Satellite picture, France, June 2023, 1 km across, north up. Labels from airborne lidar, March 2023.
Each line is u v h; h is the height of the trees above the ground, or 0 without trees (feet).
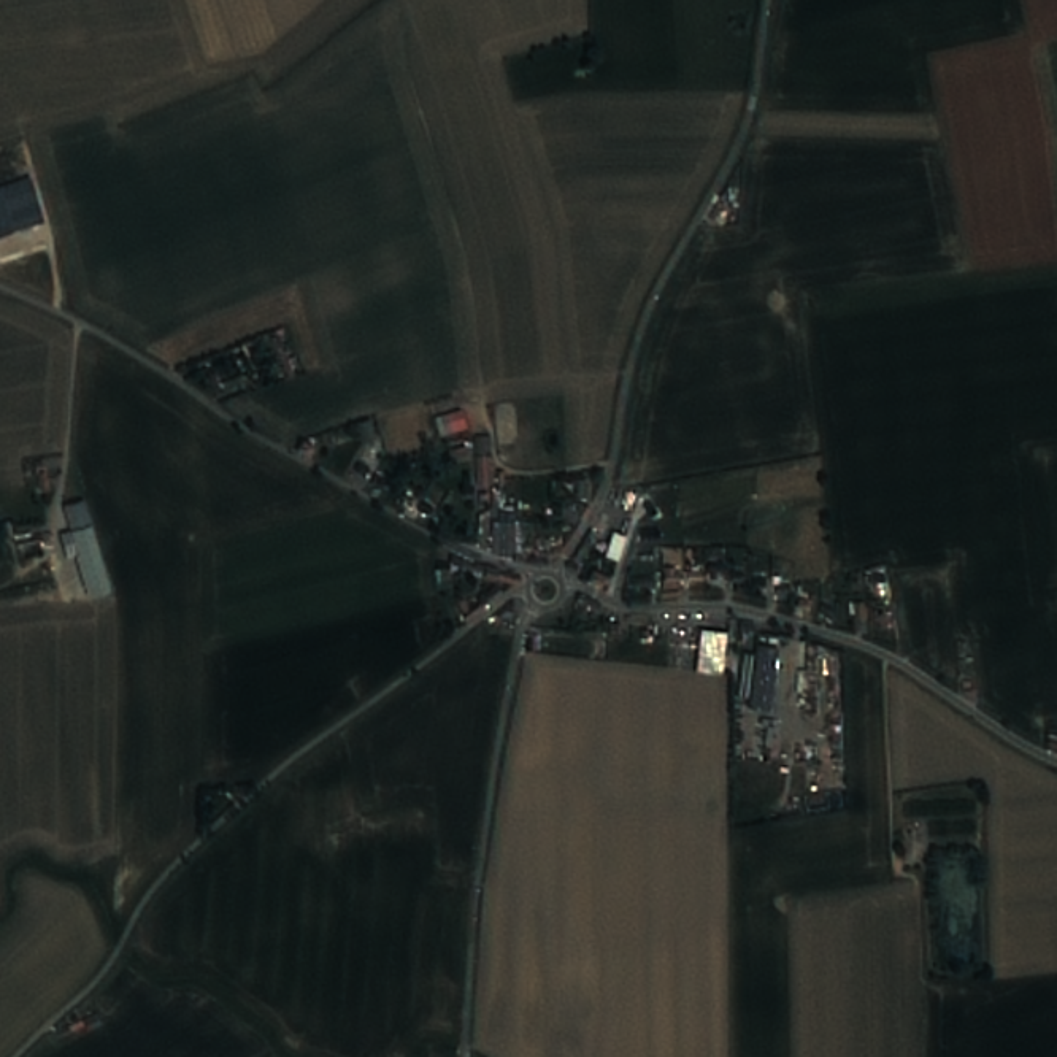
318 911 0
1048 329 0
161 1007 0
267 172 0
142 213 0
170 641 0
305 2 0
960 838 0
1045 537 0
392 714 0
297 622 0
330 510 0
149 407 0
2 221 0
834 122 0
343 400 0
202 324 0
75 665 0
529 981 0
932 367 0
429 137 0
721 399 0
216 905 0
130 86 0
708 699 0
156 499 0
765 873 0
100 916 0
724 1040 0
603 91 0
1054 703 0
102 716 0
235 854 0
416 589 0
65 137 0
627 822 0
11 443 0
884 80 0
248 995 0
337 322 0
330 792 0
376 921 0
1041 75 0
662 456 0
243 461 0
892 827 0
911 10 0
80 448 0
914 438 0
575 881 0
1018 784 0
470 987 0
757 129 0
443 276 0
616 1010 0
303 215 0
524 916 0
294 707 0
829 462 0
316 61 0
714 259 0
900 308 0
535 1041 0
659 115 0
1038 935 0
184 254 0
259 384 28
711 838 0
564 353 0
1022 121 0
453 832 0
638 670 0
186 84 0
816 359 0
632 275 0
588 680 0
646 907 0
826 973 0
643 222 0
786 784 0
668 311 0
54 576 0
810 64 0
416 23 0
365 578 0
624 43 0
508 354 0
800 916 0
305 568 0
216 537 0
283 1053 0
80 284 0
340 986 0
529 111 0
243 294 0
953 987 0
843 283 0
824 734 0
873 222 0
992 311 0
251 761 0
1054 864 0
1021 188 0
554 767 0
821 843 0
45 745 0
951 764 0
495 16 0
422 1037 0
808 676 0
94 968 0
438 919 0
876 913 0
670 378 0
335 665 0
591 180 0
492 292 0
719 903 0
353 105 0
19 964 0
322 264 0
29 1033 0
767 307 0
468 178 0
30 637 0
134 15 0
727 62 0
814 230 0
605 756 0
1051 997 0
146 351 0
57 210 0
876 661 0
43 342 0
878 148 0
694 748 0
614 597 0
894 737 0
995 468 0
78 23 0
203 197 0
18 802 0
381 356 0
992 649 0
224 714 0
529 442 0
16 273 0
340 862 0
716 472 0
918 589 0
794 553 0
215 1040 0
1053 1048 0
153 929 0
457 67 0
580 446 0
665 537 0
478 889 0
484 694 0
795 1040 0
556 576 0
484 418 0
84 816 0
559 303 0
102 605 0
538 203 0
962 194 0
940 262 0
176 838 0
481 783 0
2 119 0
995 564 0
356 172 0
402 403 0
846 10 0
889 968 0
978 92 0
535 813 0
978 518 0
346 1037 0
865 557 0
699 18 0
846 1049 0
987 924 0
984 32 0
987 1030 0
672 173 0
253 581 0
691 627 0
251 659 0
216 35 0
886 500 0
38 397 0
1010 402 0
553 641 0
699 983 0
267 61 0
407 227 0
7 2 0
